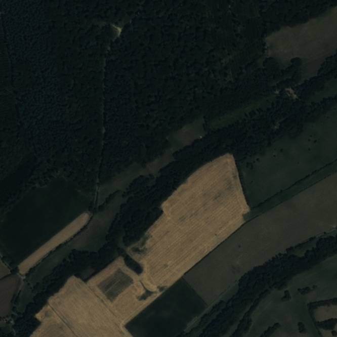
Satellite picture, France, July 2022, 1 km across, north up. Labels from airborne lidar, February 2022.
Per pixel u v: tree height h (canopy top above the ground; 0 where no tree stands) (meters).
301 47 0
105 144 7
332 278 0
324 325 13
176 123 23
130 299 0
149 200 23
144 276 0
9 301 0
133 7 32
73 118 27
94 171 21
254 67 22
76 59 27
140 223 20
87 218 0
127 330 0
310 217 0
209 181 0
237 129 21
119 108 26
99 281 0
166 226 0
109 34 24
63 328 0
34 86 27
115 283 0
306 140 0
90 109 27
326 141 0
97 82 28
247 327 8
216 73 26
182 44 24
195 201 0
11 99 6
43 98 33
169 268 0
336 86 0
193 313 0
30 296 0
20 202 0
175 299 0
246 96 17
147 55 28
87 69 24
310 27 0
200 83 26
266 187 0
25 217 0
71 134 23
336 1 28
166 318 0
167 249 0
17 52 24
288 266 19
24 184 25
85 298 0
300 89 23
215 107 22
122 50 25
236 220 0
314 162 0
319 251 18
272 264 18
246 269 0
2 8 28
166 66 28
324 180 0
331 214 0
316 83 27
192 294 0
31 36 21
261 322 0
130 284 0
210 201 0
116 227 22
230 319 22
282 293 0
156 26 6
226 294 0
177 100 29
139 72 30
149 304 0
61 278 24
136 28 24
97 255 18
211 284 0
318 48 0
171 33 31
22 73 25
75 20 27
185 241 0
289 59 0
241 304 17
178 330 0
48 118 33
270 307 0
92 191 16
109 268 0
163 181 25
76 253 20
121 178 0
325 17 0
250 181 0
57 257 0
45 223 0
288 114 12
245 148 20
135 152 23
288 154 0
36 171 26
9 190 8
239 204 0
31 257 0
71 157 25
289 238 0
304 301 0
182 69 32
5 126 6
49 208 0
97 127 27
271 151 0
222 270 0
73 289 0
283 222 0
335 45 0
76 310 0
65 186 0
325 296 0
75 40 27
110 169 21
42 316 0
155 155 21
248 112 0
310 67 0
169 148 22
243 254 0
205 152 22
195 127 0
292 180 0
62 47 26
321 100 0
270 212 0
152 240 0
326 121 0
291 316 0
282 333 0
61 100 26
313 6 24
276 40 0
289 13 28
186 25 23
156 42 27
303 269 17
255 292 16
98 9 27
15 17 30
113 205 0
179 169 28
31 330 16
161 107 29
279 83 0
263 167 0
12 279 0
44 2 29
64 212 0
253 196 0
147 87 20
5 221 0
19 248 0
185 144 0
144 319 0
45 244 0
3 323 0
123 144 21
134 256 0
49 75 32
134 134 24
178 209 0
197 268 0
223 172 0
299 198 0
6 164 21
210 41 26
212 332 24
